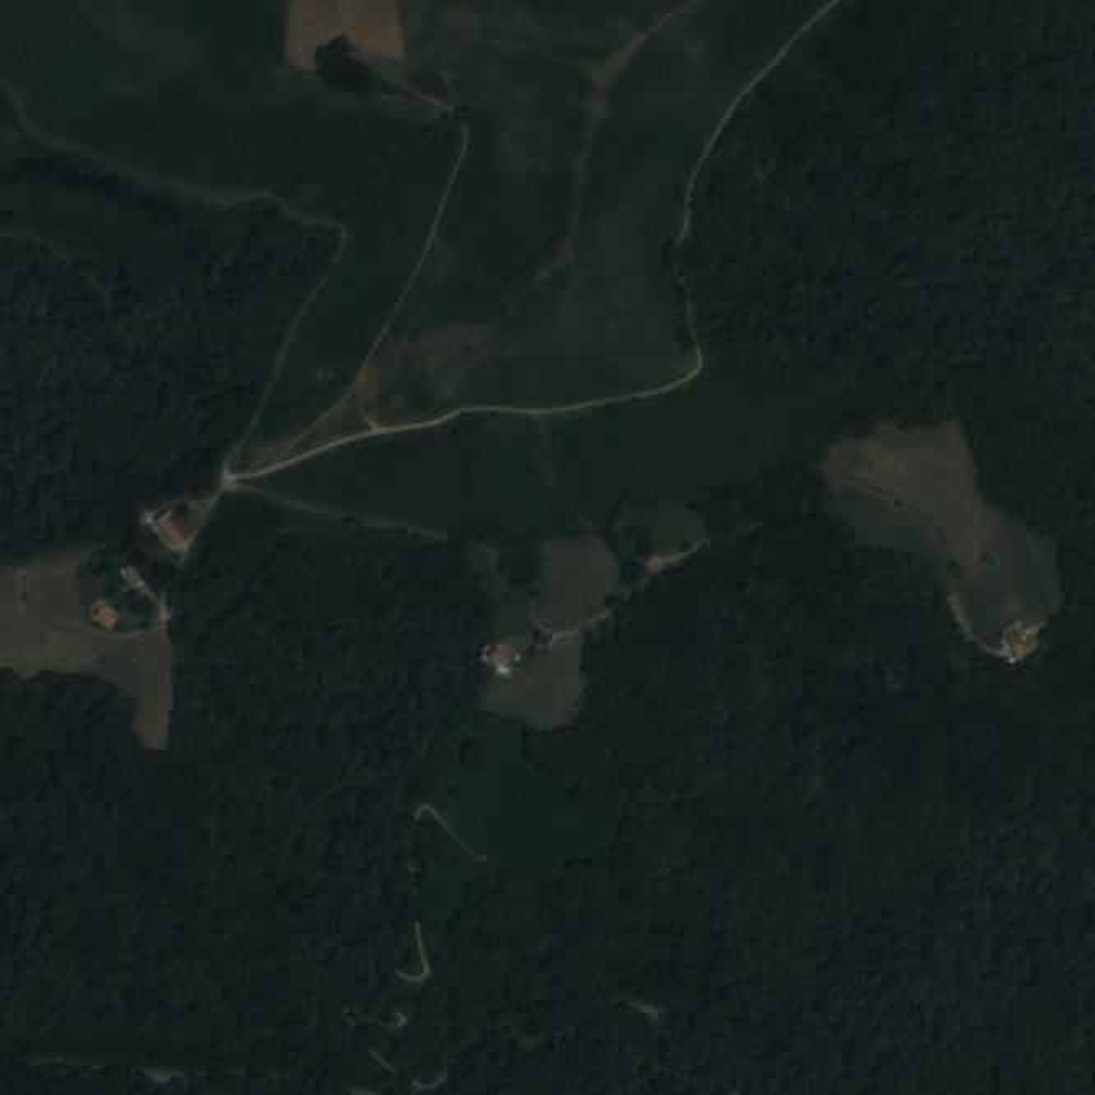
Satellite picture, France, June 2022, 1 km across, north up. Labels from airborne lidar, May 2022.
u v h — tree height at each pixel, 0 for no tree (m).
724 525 17
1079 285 26
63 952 14
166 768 17
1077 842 27
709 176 7
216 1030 19
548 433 0
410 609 21
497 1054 18
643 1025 27
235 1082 20
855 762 27
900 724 19
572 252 0
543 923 20
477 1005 17
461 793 14
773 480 12
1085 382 22
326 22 0
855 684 25
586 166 0
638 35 0
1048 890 24
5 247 11
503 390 0
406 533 8
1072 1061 23
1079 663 23
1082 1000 12
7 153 0
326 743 32
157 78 0
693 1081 22
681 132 0
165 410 10
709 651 17
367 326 0
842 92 14
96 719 14
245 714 10
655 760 16
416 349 0
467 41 0
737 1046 16
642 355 0
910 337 17
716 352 9
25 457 17
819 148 13
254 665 18
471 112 10
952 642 15
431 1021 21
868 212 23
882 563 19
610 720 17
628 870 16
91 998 17
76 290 16
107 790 14
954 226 28
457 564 20
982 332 18
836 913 23
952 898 35
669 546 0
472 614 23
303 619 14
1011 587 0
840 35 7
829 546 15
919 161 21
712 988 19
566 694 0
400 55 0
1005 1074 27
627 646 18
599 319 0
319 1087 21
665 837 21
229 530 13
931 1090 23
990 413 15
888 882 20
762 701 22
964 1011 21
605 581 0
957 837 29
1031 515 15
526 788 0
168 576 16
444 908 0
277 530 9
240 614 21
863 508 0
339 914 29
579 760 13
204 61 0
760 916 17
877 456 0
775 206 15
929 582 13
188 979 18
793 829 17
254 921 21
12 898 24
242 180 8
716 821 20
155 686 0
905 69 14
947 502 0
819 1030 27
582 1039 20
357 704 21
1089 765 11
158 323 16
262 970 16
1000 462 20
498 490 0
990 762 21
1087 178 23
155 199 15
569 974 19
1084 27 12
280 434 0
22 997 10
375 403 0
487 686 9
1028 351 24
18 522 21
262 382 6
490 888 7
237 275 16
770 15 0
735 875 17
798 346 23
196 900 12
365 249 0
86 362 13
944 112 15
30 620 0
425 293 0
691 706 23
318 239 12
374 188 9
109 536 16
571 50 0
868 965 23
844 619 17
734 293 11
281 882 18
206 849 14
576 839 0
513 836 0
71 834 13
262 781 14
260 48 0
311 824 23
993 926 10
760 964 20
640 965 14
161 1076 0
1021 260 34
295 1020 25
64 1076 12
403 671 20
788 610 26
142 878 13
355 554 13
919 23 18
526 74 0
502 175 0
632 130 0
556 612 0
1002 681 21
